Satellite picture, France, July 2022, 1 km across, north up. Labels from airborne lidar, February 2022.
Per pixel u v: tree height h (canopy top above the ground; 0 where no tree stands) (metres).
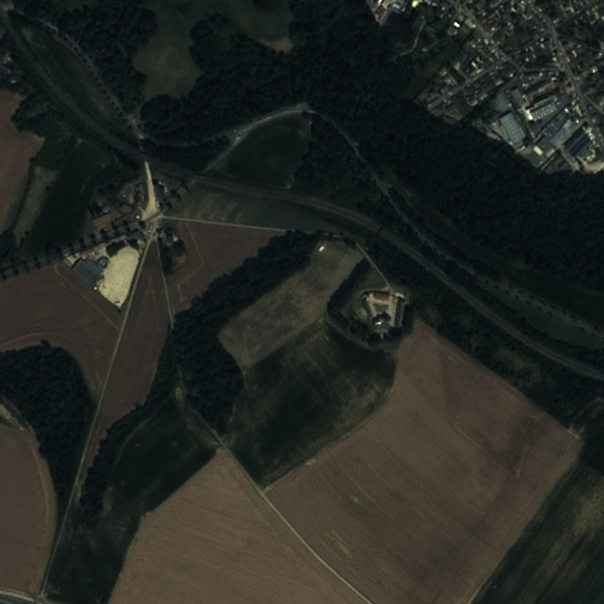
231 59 24
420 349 0
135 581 0
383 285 0
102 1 18
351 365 0
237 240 0
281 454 0
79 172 0
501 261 0
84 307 0
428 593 0
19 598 0
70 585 0
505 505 0
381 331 0
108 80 24
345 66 8
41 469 0
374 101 18
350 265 0
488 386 0
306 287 0
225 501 0
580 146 0
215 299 18
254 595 0
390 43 30
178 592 0
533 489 0
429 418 0
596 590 0
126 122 15
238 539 0
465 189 13
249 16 0
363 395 0
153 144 15
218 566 0
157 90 0
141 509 0
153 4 25
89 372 0
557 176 10
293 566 0
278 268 17
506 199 26
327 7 19
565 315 12
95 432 0
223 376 25
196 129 24
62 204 0
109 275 0
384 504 0
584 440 0
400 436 0
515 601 0
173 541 0
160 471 0
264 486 0
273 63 9
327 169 22
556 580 0
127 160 27
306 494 0
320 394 0
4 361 20
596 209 17
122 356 0
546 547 0
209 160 9
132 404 0
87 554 0
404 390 0
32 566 0
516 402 0
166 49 0
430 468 0
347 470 0
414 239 24
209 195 0
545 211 26
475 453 0
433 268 0
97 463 14
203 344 21
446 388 0
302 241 19
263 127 0
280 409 0
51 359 15
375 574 0
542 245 35
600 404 0
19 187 0
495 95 5
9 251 12
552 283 0
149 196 0
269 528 0
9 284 0
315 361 0
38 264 9
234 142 0
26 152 0
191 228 0
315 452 0
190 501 0
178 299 0
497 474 0
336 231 0
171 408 0
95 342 0
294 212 0
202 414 14
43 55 0
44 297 0
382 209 9
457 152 26
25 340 0
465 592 0
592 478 0
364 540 0
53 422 11
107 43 24
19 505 0
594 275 25
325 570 0
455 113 0
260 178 0
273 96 26
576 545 0
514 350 6
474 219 26
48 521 0
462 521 0
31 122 14
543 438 0
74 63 0
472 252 0
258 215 0
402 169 19
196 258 0
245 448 0
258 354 0
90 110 0
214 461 0
